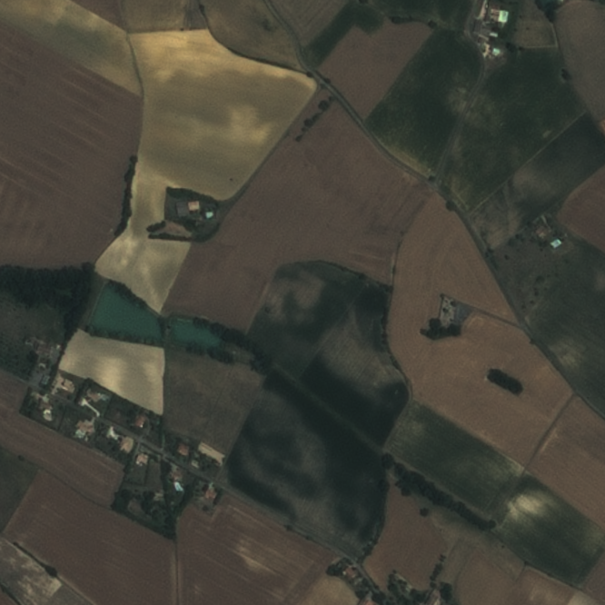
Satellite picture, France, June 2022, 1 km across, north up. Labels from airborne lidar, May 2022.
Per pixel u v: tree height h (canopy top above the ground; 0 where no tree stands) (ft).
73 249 0
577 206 0
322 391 0
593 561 0
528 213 0
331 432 0
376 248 0
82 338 0
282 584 0
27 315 0
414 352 0
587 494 0
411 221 0
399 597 21
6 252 0
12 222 0
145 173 0
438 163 0
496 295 0
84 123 0
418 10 0
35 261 0
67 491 0
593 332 0
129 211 39
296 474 0
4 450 0
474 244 0
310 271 0
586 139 0
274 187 0
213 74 0
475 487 0
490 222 0
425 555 0
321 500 0
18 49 0
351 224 0
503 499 0
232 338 112
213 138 0
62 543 0
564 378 0
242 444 0
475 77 0
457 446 0
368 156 0
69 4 0
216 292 0
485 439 0
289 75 0
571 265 0
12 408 0
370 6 0
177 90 0
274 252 0
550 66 0
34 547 0
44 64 0
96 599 0
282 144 0
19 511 0
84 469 0
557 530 0
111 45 0
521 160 0
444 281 0
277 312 0
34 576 0
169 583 0
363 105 0
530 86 0
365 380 0
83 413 0
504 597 0
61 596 0
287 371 0
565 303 0
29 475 0
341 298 0
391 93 0
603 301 0
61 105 0
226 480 0
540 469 0
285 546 0
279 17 0
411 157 0
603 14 0
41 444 0
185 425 0
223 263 0
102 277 0
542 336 0
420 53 0
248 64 0
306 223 0
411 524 0
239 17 0
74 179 0
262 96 0
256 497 0
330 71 0
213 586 0
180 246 0
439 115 0
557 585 0
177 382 0
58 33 0
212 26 0
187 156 0
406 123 0
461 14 0
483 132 0
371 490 0
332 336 0
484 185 0
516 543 0
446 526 0
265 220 0
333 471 0
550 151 0
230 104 0
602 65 0
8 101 0
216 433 0
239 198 0
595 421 0
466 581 0
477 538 0
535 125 0
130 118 0
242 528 0
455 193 0
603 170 0
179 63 0
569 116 0
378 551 0
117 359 0
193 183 0
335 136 0
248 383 0
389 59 0
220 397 0
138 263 0
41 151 0
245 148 0
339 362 0
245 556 0
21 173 0
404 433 0
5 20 0
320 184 0
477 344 0
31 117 0
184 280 0
